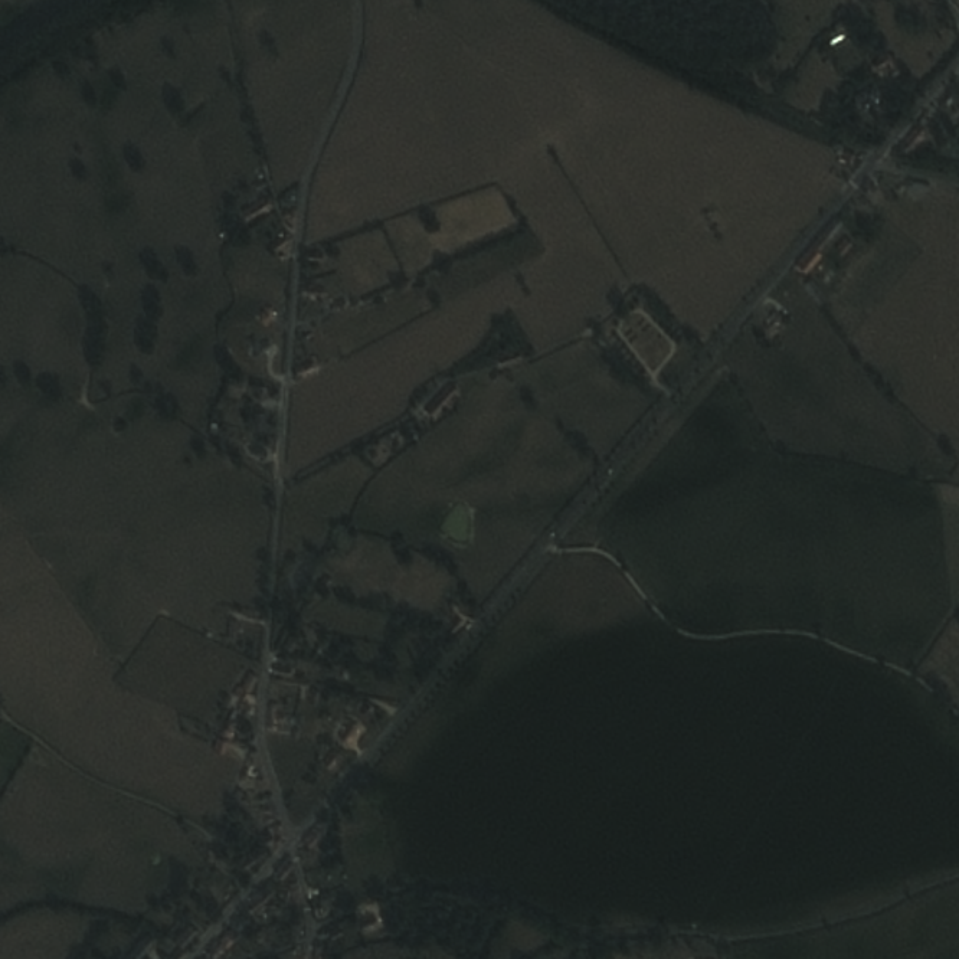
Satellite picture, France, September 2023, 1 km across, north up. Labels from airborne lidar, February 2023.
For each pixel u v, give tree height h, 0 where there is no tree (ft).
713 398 0
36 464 0
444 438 0
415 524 0
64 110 0
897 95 76
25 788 0
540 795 0
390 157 0
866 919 0
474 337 0
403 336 0
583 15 47
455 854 0
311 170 0
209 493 0
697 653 0
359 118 0
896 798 0
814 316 0
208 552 0
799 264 0
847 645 0
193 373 0
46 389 51
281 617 17
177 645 0
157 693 0
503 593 0
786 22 0
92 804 0
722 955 30
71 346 0
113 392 49
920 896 0
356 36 0
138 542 0
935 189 0
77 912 19
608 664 0
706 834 0
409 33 0
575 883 0
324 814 30
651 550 0
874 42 36
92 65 58
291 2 0
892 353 0
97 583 0
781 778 0
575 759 0
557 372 0
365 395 0
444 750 0
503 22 0
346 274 0
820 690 0
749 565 0
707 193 0
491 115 0
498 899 39
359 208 0
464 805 0
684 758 0
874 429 0
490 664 0
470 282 0
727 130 0
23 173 0
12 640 0
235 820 56
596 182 0
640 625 0
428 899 46
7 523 0
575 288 0
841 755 0
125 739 0
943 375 0
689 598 0
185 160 0
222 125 0
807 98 0
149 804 0
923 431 0
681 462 0
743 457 0
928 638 0
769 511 0
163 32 0
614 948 23
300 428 0
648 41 69
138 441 0
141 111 0
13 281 0
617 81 0
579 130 0
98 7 37
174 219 0
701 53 75
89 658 0
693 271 0
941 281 0
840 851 0
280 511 0
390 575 0
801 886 0
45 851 0
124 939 0
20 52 25
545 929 57
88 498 0
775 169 0
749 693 0
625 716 0
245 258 0
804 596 0
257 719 0
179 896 37
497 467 0
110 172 0
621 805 0
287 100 0
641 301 52
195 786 0
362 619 0
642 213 0
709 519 0
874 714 0
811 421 0
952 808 0
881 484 0
